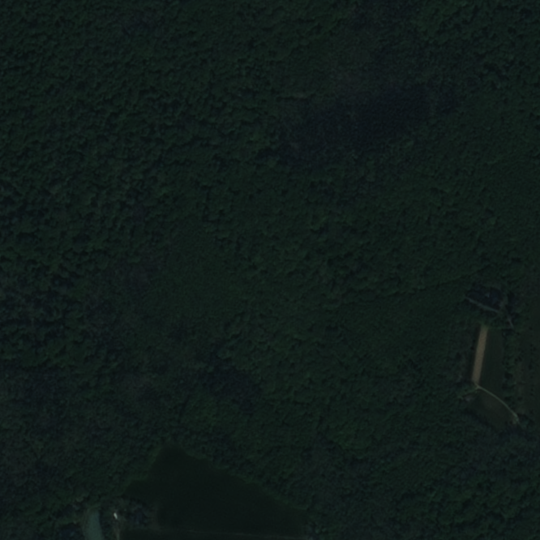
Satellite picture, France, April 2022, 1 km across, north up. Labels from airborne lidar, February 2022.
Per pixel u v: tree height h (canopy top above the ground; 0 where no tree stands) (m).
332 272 28
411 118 25
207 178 25
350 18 15
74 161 27
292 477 18
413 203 25
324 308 26
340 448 23
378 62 20
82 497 23
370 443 22
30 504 22
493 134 22
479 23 28
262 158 25
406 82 20
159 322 18
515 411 11
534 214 26
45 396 24
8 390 21
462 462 21
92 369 31
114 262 21
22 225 30
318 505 23
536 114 26
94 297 20
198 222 18
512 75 27
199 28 27
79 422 23
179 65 29
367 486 21
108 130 21
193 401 22
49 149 17
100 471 22
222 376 30
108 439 23
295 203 28
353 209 29
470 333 17
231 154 28
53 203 30
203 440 22
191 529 0
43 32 24
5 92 23
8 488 21
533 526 32
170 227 25
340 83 21
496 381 0
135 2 22
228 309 16
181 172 28
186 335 13
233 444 23
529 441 35
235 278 20
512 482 29
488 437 27
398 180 28
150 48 29
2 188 30
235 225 26
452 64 21
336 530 20
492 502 17
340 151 23
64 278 7
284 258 28
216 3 28
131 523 19
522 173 24
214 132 27
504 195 26
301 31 16
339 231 29
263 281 25
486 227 28
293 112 20
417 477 19
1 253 31
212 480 0
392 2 21
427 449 20
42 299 12
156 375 17
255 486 0
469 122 26
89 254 23
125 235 26
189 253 18
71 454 22
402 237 25
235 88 25
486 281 24
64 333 20
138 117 19
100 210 25
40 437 21
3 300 12
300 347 26
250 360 28
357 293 25
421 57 23
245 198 26
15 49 18
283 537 0
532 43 28
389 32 17
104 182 24
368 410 31
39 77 23
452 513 26
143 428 19
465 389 13
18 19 25
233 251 26
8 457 24
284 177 26
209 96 18
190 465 0
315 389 29
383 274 24
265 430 27
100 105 21
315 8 26
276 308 26
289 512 0
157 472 0
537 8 26
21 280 22
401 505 26
